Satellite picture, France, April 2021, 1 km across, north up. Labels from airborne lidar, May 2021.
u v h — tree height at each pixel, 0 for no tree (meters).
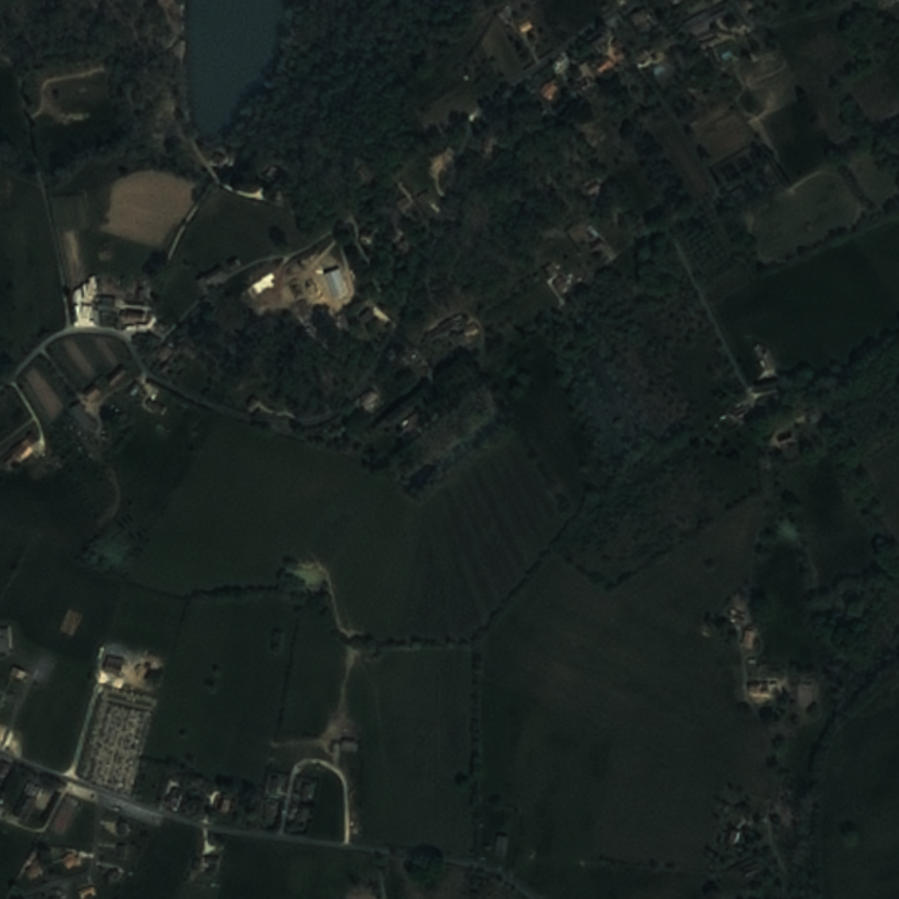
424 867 18
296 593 12
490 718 0
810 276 0
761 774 0
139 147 19
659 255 21
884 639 12
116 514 0
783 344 0
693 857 0
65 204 0
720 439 8
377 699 0
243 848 0
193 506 0
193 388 0
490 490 0
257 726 0
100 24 18
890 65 0
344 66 22
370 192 14
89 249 0
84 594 0
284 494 0
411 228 17
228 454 0
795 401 15
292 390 15
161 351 0
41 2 17
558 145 19
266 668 0
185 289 0
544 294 0
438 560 0
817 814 10
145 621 0
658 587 0
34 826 0
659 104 16
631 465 10
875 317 0
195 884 0
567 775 0
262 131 19
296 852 0
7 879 0
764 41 15
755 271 11
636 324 12
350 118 20
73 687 0
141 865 0
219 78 0
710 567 8
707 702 0
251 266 0
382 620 0
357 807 0
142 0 13
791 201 0
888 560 23
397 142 19
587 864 0
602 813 0
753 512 0
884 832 0
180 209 0
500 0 21
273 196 14
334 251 0
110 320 0
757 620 15
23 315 0
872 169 0
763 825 13
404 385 14
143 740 0
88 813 0
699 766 0
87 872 0
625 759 0
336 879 0
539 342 0
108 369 0
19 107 0
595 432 10
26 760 0
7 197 0
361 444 9
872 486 14
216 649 0
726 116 0
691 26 0
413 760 0
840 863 0
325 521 0
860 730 0
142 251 0
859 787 0
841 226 0
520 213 20
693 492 0
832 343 0
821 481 0
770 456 9
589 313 12
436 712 0
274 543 0
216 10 0
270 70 0
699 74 9
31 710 0
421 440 25
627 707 0
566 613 0
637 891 0
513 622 0
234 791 17
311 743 0
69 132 0
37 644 0
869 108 0
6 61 9
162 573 0
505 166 18
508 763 0
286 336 6
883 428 24
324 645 0
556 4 0
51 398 0
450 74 0
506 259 22
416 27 19
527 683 0
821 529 0
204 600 10
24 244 0
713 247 21
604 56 6
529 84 10
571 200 17
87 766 0
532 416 0
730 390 10
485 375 8
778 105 0
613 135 0
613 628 0
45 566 0
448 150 12
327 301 0
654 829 0
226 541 0
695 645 0
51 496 0
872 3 17
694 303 9
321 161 18
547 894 0
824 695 0
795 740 0
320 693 0
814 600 15
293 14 19
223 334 19
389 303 10
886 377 16
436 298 20
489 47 0
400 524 0
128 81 12
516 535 0
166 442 0
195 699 0
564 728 0
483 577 0
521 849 0
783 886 12
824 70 0
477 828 5
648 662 0
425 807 0
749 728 0
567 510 15
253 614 0
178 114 8
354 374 19
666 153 13
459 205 12
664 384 9
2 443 0
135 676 0
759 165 20
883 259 0
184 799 6
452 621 0
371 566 0
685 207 20
